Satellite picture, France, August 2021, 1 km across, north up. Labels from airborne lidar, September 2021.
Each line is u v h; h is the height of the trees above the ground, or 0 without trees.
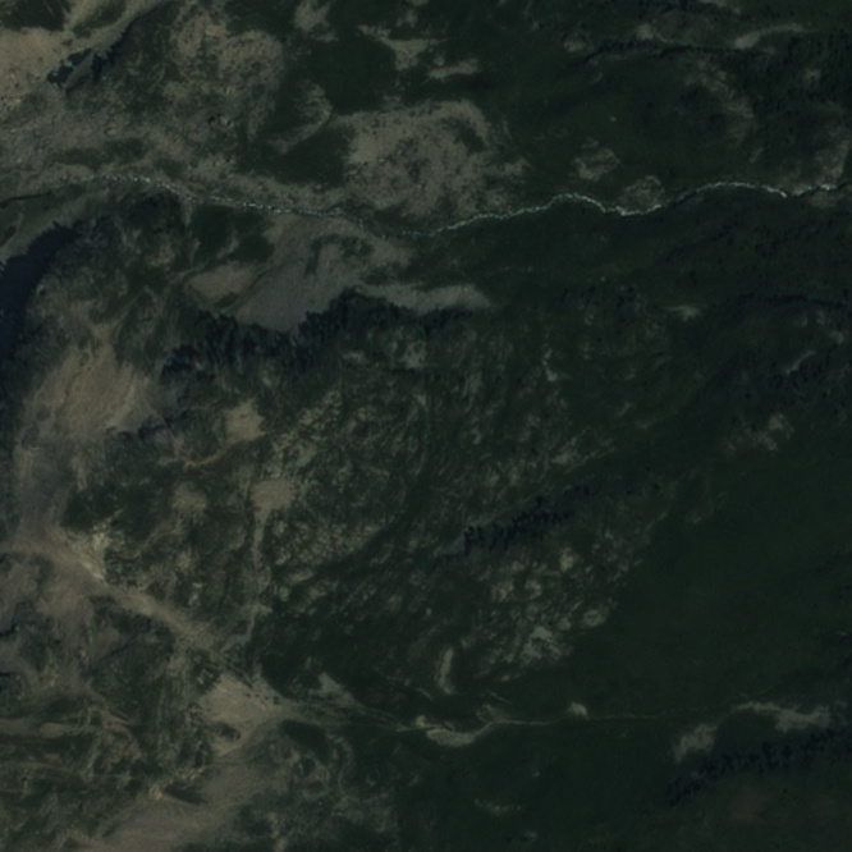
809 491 0
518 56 0
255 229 0
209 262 0
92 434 0
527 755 0
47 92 0
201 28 0
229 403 0
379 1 0
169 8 0
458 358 0
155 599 0
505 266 0
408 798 0
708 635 0
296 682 0
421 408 0
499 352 0
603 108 0
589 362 0
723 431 0
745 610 0
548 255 0
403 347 0
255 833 0
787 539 0
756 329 0
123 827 0
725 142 0
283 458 0
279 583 0
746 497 0
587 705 0
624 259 0
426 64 0
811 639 0
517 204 0
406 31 0
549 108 0
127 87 0
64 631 0
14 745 0
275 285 0
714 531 0
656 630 0
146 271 0
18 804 0
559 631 0
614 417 0
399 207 0
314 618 0
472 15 0
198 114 0
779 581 0
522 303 0
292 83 0
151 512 0
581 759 0
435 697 0
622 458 0
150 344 0
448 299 0
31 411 0
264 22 0
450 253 0
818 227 11
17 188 0
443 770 0
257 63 0
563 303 0
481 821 0
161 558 0
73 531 0
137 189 0
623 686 0
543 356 0
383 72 0
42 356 0
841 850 0
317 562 0
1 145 0
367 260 0
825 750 10
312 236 0
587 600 0
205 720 0
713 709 0
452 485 0
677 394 0
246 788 0
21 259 0
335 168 0
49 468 0
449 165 0
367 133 0
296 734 0
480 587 0
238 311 0
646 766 0
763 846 0
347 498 0
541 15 0
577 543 0
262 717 0
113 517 0
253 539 0
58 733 0
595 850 0
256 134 0
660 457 0
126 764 0
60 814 0
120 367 0
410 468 0
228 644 0
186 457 0
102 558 0
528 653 0
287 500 0
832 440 0
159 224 0
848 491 0
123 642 0
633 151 0
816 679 0
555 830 0
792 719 0
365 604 0
